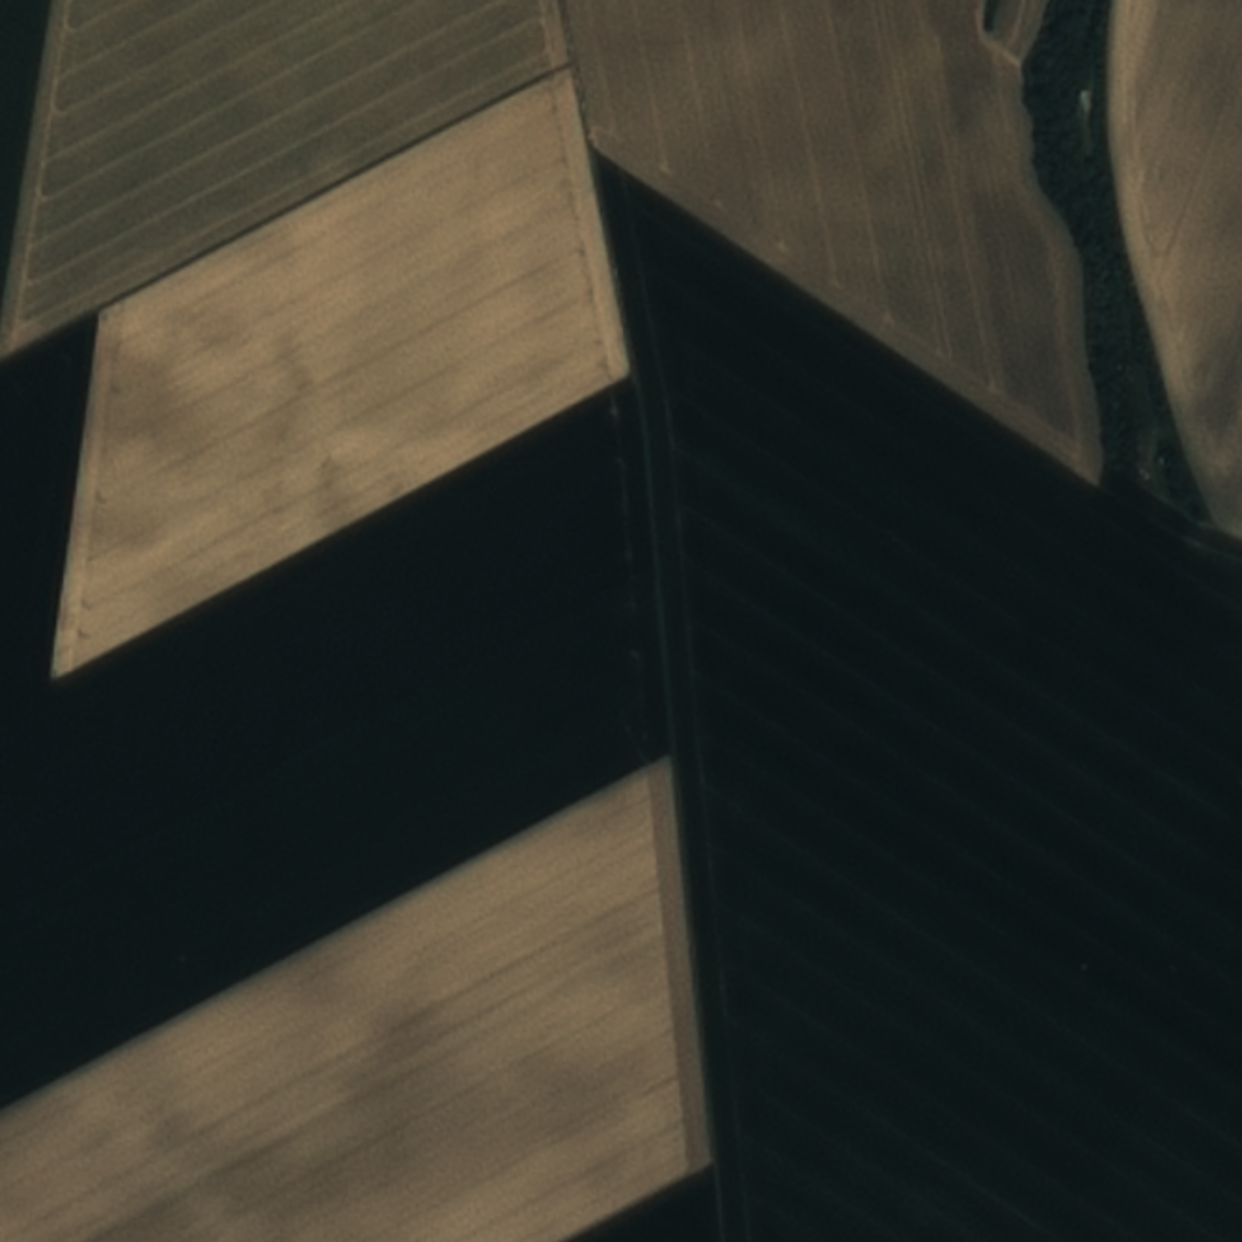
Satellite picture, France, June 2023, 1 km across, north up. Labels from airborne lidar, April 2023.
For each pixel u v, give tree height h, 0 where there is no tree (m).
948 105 0
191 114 0
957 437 0
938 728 0
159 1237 0
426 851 0
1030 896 0
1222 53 0
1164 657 0
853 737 0
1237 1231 0
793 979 0
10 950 0
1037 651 0
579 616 0
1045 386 0
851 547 0
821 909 0
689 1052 0
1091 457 0
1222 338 0
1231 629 0
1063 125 7
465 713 0
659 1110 0
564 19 0
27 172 0
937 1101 0
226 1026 0
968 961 0
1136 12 0
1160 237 0
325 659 0
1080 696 0
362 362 0
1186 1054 0
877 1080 0
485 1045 0
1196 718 0
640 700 0
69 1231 0
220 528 0
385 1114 0
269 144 0
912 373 0
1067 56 6
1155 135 0
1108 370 7
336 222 0
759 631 0
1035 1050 0
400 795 0
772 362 0
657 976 0
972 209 0
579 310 0
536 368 0
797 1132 0
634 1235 0
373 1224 0
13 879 0
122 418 0
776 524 0
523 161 0
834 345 0
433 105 0
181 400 0
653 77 0
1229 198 0
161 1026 0
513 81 0
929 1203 0
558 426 0
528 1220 0
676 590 0
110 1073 0
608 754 0
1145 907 0
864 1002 0
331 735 0
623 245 0
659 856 0
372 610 0
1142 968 0
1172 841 0
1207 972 0
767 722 0
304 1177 0
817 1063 0
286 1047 0
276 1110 0
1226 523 0
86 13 0
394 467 0
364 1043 0
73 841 0
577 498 0
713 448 0
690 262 0
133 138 0
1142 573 0
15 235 0
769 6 0
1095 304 6
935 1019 0
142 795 0
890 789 0
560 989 0
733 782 0
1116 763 0
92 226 0
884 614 0
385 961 0
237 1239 0
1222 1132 0
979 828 0
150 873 0
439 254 0
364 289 0
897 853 0
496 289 0
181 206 0
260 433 0
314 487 0
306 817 0
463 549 0
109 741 0
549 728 0
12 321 0
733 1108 0
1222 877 0
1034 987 0
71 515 0
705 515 0
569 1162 0
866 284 0
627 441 0
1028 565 0
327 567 0
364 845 0
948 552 0
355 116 0
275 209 0
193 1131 0
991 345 0
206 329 0
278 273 0
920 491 0
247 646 0
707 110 0
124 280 0
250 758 0
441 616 0
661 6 0
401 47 0
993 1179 0
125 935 0
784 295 0
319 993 0
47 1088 0
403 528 0
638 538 0
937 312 0
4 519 0
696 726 0
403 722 0
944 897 0
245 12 0
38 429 0
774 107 0
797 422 0
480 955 0
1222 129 0
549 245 0
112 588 0
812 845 0
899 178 0
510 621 0
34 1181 0
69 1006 0
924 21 0
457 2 0
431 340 0
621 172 0
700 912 0
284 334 0
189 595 0
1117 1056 0
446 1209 0
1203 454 0
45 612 0
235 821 0
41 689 0
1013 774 0
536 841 0
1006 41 0
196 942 0
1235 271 0
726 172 0
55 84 0
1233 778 0
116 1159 0
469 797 0
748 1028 0
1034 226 0
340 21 0
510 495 0
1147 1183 0
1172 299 0
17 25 0
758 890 0
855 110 0
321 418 0
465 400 0
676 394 0
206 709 0
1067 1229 0
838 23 0
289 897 0
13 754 0
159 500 0
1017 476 0
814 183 0
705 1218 0
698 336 0
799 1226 0
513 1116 0
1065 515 0
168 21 0
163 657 0
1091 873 0
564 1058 0
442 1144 0
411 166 0
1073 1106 0
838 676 0
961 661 0
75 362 0
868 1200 0
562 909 0
